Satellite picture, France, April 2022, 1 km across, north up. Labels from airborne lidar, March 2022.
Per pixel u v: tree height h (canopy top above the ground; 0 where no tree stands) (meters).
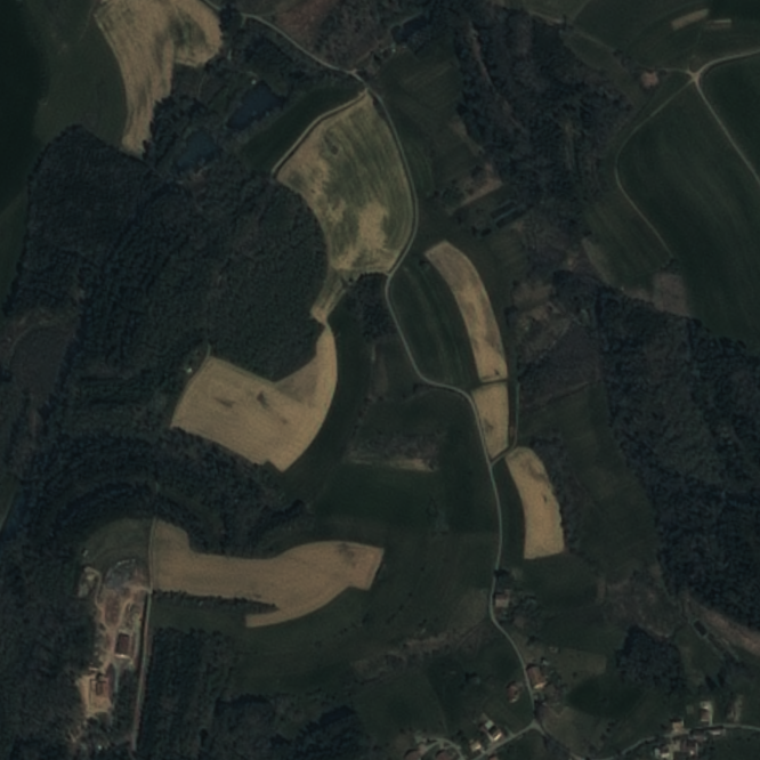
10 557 25
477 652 0
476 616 0
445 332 0
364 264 0
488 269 0
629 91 0
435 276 0
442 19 30
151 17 0
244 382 0
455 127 0
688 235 0
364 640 0
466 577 0
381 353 0
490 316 0
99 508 27
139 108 0
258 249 13
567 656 0
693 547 32
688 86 0
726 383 22
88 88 0
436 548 0
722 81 0
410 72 0
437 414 0
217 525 0
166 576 0
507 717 0
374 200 0
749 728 0
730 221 0
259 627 0
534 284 18
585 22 0
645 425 29
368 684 9
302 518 19
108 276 30
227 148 23
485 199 0
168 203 34
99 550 0
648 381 30
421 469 0
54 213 18
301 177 0
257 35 17
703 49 0
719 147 0
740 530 25
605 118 27
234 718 20
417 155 0
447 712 0
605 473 0
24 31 0
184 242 22
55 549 12
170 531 0
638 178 0
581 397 0
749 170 0
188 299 12
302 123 0
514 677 0
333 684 0
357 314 26
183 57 0
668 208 0
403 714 0
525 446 0
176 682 9
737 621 20
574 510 26
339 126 0
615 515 0
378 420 0
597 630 0
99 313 26
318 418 0
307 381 0
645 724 0
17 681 13
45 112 0
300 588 0
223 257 11
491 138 29
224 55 11
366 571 0
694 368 14
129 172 17
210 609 8
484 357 0
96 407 19
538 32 8
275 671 0
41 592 10
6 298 0
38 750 12
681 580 31
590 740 0
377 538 0
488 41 30
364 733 11
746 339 0
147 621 0
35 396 7
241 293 12
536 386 16
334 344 0
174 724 10
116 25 0
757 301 0
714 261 0
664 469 10
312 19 0
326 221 0
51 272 12
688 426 12
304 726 0
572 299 25
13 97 0
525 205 16
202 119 29
